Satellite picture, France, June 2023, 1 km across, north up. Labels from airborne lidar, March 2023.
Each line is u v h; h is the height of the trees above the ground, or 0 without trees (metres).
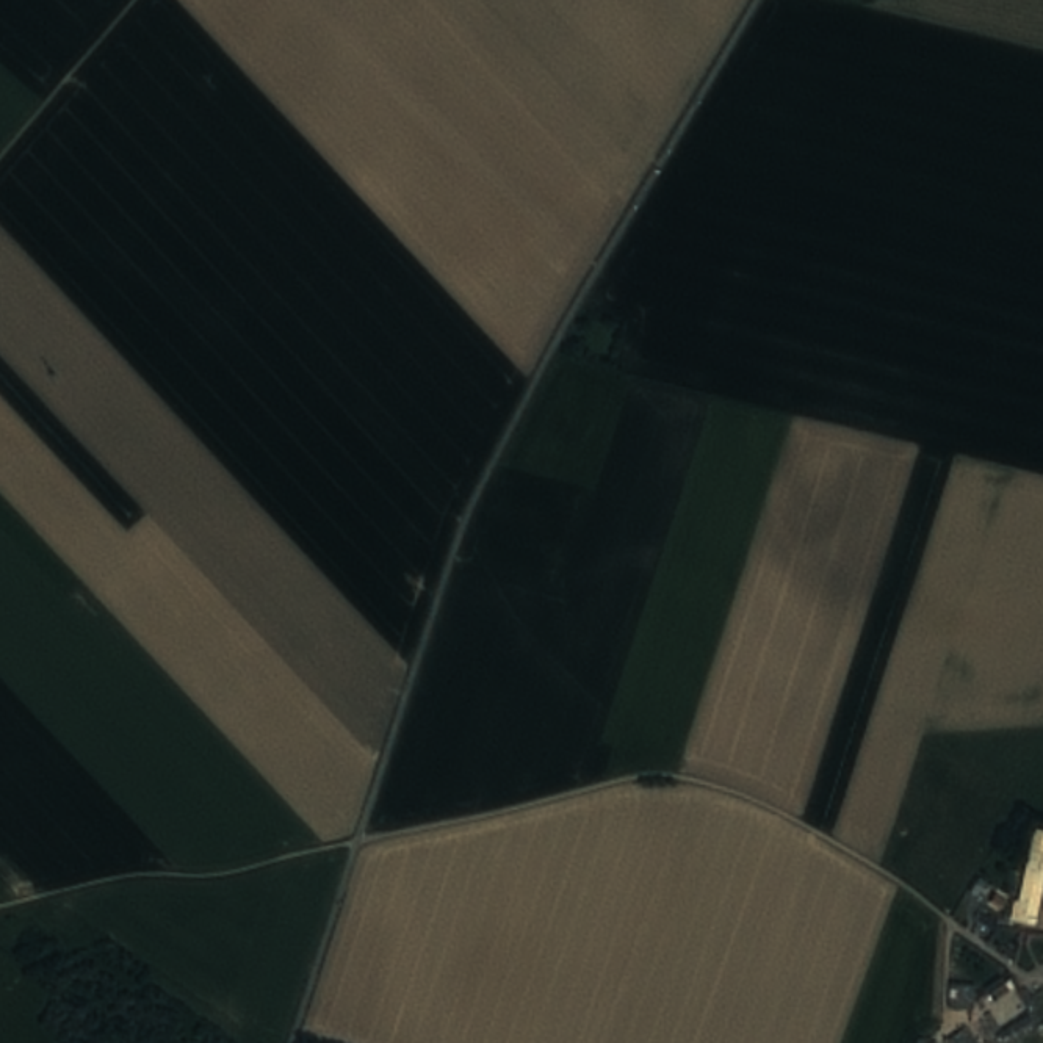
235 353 0
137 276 0
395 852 0
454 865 0
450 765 0
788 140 0
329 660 0
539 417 0
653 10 0
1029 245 0
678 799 0
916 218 0
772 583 0
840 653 0
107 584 0
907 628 0
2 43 0
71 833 0
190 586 0
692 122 0
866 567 0
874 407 0
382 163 0
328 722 0
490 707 0
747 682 0
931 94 0
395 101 0
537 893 0
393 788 0
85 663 0
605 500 0
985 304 0
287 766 0
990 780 0
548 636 0
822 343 0
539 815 0
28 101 0
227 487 0
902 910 0
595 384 0
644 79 0
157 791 0
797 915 0
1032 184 0
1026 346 0
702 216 0
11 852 0
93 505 0
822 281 0
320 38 0
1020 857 16
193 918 0
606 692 0
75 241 0
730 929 0
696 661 0
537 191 0
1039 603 0
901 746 0
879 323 0
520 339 0
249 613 0
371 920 0
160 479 0
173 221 0
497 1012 0
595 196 0
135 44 0
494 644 0
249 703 0
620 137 0
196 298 0
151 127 0
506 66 0
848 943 0
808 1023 0
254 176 0
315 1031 0
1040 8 0
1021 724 0
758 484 0
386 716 0
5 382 0
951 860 0
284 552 0
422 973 0
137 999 11
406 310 0
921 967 0
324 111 0
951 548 0
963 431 0
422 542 0
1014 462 0
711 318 0
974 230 0
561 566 0
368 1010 0
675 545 0
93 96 0
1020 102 0
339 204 0
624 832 0
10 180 0
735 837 0
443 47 0
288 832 0
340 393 0
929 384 0
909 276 0
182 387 0
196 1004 0
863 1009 0
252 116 0
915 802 0
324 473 0
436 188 0
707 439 0
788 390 0
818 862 0
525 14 0
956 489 0
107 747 0
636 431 0
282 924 0
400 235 0
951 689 0
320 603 0
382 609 0
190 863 0
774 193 0
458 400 0
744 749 0
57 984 9
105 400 0
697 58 0
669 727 0
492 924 0
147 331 0
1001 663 0
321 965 0
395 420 0
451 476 0
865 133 0
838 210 0
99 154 0
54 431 0
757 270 0
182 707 0
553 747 0
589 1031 0
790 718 0
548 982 0
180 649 0
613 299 0
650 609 0
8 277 0
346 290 0
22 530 0
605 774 0
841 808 0
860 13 0
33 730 0
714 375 0
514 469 0
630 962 0
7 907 0
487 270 0
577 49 0
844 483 0
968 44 0
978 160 0
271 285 0
